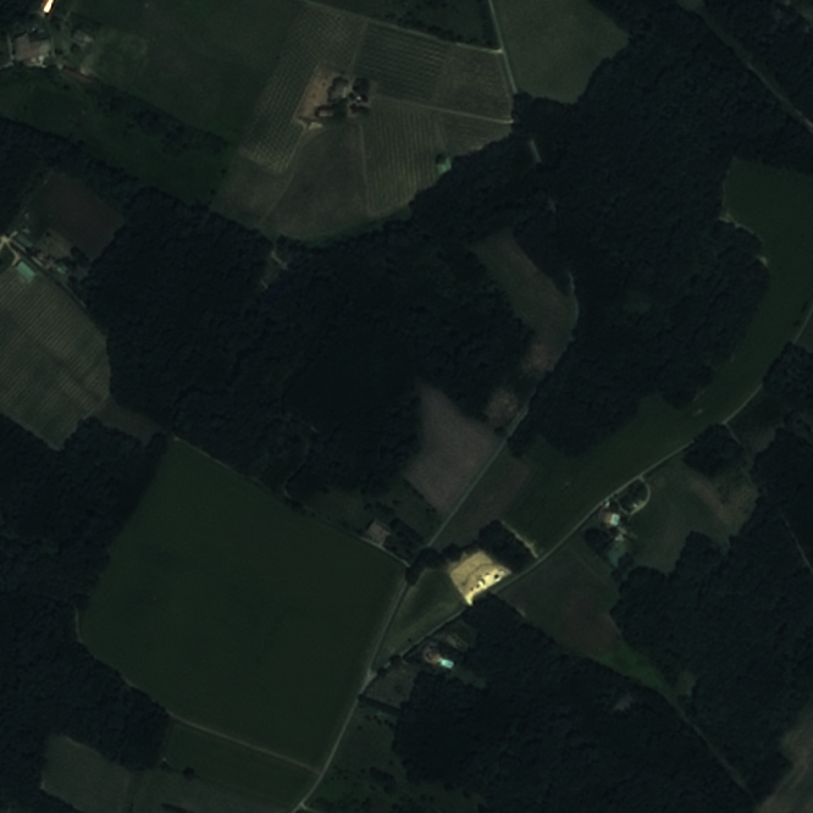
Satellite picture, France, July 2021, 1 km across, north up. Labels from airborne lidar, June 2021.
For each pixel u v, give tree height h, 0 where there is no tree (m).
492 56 0
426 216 21
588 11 0
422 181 0
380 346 13
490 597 11
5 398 0
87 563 12
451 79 0
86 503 19
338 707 0
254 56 0
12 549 26
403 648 0
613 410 17
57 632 23
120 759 8
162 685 0
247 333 24
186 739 0
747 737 24
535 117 15
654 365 7
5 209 20
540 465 0
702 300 12
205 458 0
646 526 0
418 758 9
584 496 0
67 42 0
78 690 17
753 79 18
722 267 10
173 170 0
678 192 20
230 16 0
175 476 0
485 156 18
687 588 26
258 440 19
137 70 0
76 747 0
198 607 0
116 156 0
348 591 0
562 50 0
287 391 11
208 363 9
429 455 0
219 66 0
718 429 14
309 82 0
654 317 12
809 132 19
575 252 15
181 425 15
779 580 14
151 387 19
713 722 19
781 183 0
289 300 34
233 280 28
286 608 0
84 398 0
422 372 20
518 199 10
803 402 18
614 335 17
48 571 11
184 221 24
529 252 16
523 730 20
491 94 0
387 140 0
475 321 11
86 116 0
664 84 17
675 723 17
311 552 0
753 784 18
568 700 15
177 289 24
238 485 0
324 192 0
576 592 0
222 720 0
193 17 0
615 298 16
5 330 0
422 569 8
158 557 0
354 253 23
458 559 9
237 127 0
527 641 18
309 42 0
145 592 0
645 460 0
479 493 0
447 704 19
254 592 0
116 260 16
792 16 22
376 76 0
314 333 6
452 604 0
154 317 28
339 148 0
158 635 0
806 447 20
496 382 13
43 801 23
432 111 0
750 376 0
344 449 22
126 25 0
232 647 0
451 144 0
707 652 17
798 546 20
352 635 0
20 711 26
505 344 20
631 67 14
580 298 10
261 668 0
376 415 20
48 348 0
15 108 0
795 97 22
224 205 0
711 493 0
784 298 0
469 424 0
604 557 9
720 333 20
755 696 20
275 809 0
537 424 13
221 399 22
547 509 0
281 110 0
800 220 0
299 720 0
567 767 23
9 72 7
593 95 14
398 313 16
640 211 14
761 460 15
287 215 0
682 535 0
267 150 0
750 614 22
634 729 21
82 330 0
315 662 0
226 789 0
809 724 0
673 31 16
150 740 16
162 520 0
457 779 13
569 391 19
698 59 19
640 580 20
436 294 9
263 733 0
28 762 22
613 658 0
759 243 18
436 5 13
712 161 20
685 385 12
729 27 22
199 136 7
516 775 19
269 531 0
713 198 14
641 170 19
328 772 0
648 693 18
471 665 19
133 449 19
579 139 22
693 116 19
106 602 0
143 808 0
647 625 24
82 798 0
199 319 21
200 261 20
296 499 6
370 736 0
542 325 0
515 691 19
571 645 0
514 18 0
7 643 23
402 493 0
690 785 26
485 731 10
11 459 22
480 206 10
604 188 21
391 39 0
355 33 0
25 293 0
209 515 0
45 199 0
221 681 0
